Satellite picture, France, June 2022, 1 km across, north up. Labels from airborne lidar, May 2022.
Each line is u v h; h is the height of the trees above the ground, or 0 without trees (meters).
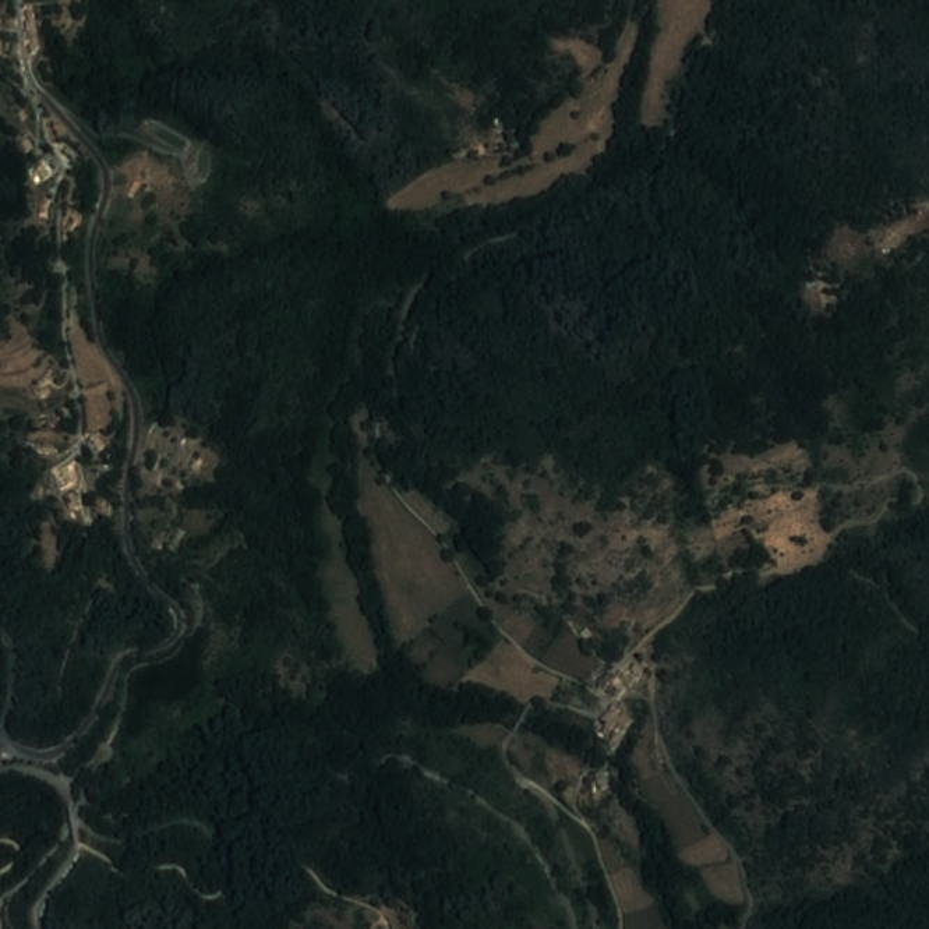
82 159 9
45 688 8
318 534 15
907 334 8
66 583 11
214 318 12
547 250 17
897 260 6
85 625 9
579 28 9
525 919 11
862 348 9
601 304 32
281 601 8
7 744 0
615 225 10
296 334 9
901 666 11
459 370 10
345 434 20
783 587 13
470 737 6
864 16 7
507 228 15
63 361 9
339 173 6
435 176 0
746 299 6
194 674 9
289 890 23
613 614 0
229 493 13
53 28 11
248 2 7
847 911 15
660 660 8
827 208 7
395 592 0
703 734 0
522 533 0
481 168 0
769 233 17
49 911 6
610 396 9
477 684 7
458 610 0
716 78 17
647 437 8
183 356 9
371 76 8
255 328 10
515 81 15
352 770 13
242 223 10
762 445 13
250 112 6
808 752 8
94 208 10
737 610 8
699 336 12
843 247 0
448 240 19
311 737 14
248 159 7
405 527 0
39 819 6
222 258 16
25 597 13
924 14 7
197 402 31
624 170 20
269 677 14
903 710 9
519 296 13
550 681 0
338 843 10
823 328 14
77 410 8
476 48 14
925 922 8
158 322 13
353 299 13
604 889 10
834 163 9
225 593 7
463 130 0
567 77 8
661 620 0
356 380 19
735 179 16
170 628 15
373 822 10
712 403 18
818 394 14
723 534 0
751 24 12
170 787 17
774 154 12
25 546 17
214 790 20
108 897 7
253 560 8
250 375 7
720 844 0
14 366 0
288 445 16
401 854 13
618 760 13
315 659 7
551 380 14
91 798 15
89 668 7
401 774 11
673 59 0
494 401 7
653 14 15
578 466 8
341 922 0
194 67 21
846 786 10
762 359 13
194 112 15
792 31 7
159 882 8
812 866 6
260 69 19
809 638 13
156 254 9
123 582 11
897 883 9
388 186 20
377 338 19
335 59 18
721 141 15
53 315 13
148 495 8
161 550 12
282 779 30
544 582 0
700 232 13
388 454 18
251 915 23
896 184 7
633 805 9
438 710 18
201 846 7
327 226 8
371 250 13
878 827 10
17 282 7
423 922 11
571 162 0
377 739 12
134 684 9
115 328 11
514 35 9
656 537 0
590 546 0
